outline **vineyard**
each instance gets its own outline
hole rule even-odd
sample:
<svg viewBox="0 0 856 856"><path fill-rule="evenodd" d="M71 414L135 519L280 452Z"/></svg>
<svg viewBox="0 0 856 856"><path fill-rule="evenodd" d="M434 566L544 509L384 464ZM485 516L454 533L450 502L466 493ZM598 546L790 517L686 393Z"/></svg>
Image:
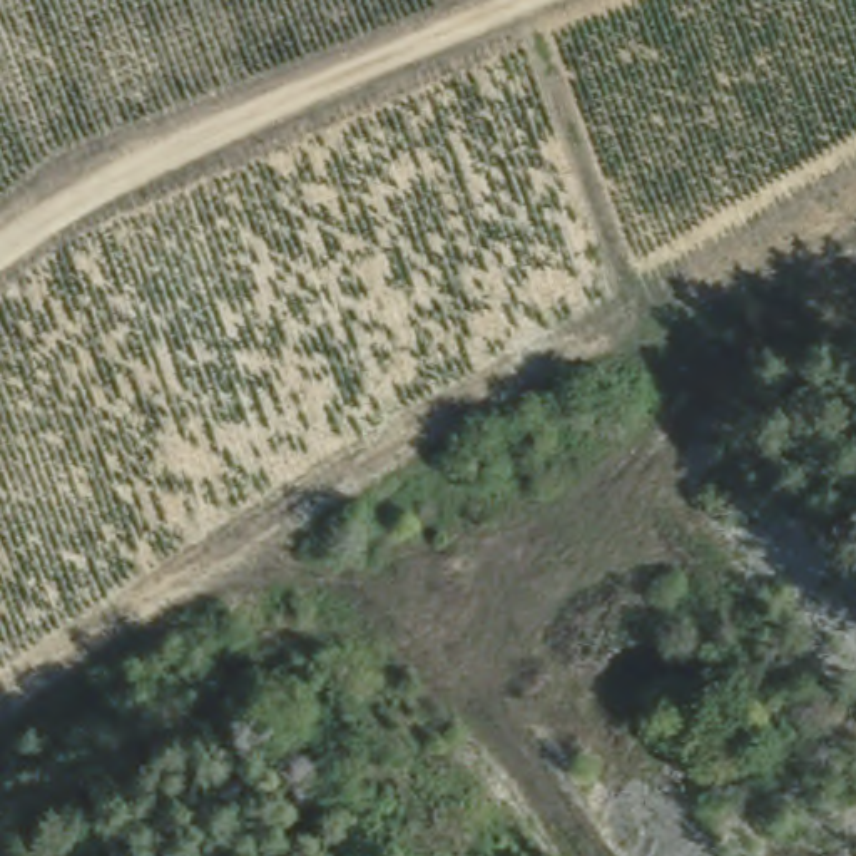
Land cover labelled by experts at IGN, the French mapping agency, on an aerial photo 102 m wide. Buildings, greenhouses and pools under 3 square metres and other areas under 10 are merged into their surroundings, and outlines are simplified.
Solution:
<svg viewBox="0 0 856 856"><path fill-rule="evenodd" d="M0 231L10 221L17 221L27 207L57 197L80 177L110 164L137 140L157 140L184 124L244 104L257 94L268 94L284 80L311 74L358 50L368 50L405 30L418 30L431 17L465 10L482 0L0 0Z"/></svg>
<svg viewBox="0 0 856 856"><path fill-rule="evenodd" d="M712 217L719 207L729 207L756 194L762 184L782 177L786 171L819 157L823 150L856 134L856 0L552 0L508 23L498 23L461 43L441 47L428 57L378 74L351 90L294 110L134 191L124 191L0 271L0 689L17 692L17 675L23 669L74 662L87 655L97 635L110 632L120 619L120 609L100 609L100 599L134 572L134 565L150 565L157 555L174 548L181 535L194 545L204 542L214 528L241 518L244 512L264 502L274 502L284 492L284 485L298 485L321 458L351 448L354 441L415 441L421 418L435 401L485 398L492 375L515 375L528 354L538 354L535 344L545 324L542 308L555 308L558 321L568 321L572 311L585 314L592 308L609 304L609 298L615 298L615 281L632 271L629 261L635 254L649 254L669 244L672 237Z"/></svg>

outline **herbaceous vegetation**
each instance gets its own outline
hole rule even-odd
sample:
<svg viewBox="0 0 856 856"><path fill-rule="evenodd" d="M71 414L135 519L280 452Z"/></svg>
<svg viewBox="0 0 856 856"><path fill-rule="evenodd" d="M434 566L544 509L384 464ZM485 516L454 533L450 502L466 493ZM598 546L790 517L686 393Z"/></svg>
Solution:
<svg viewBox="0 0 856 856"><path fill-rule="evenodd" d="M298 485L284 485L284 492L274 502L264 502L244 512L241 518L214 528L204 542L194 545L181 535L174 548L157 555L150 565L134 565L134 572L100 599L100 609L120 609L120 619L110 632L97 635L87 655L74 662L23 669L17 675L17 692L0 689L0 736L10 726L33 716L43 716L57 726L70 726L94 702L94 696L110 702L110 696L127 696L134 685L127 679L127 659L147 659L164 649L164 642L144 625L147 619L154 619L174 602L211 592L227 572L241 565L254 565L264 545L271 542L291 538L294 558L324 558L331 552L331 542L344 538L344 528L358 502L354 492L408 465L415 455L431 465L445 458L451 438L468 428L471 418L515 415L528 401L528 395L555 391L589 368L645 368L659 395L649 418L622 455L605 455L589 482L575 485L555 502L545 502L538 512L522 515L505 528L495 528L495 522L461 522L451 532L445 528L435 542L425 542L418 535L411 542L401 542L398 558L388 562L378 575L358 578L358 585L364 585L368 595L378 605L385 605L398 622L398 635L391 639L398 655L395 665L385 665L385 682L405 685L411 675L421 675L425 699L435 702L438 716L451 722L451 729L471 722L471 739L468 746L455 749L455 762L478 776L488 786L488 792L512 809L522 833L542 856L609 856L585 816L592 786L602 782L609 792L622 792L629 782L645 782L652 792L672 799L669 789L672 782L682 782L682 769L649 759L632 736L625 726L609 726L595 702L595 679L622 649L635 645L629 632L622 632L625 609L655 609L662 582L672 572L679 572L689 585L685 595L692 602L706 599L709 609L719 612L719 625L732 629L732 575L769 575L772 568L762 555L762 538L749 528L772 515L782 515L779 502L789 488L782 488L782 471L776 468L776 461L759 448L759 435L766 421L792 401L796 388L809 378L816 344L856 324L856 134L823 150L819 157L786 171L782 177L762 184L756 194L729 207L719 207L712 217L672 237L669 244L649 254L635 254L629 261L632 271L615 281L615 298L609 298L609 304L592 308L585 314L572 311L568 321L558 321L555 308L542 308L545 324L535 344L538 354L528 354L515 375L492 375L485 398L435 401L421 418L415 441L354 441L351 448L321 458Z"/></svg>

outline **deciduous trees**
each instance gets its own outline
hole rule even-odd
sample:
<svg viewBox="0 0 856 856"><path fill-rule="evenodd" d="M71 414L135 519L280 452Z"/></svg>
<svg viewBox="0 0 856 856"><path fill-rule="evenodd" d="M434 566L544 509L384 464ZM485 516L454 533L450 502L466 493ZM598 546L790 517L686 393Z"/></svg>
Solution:
<svg viewBox="0 0 856 856"><path fill-rule="evenodd" d="M528 395L528 401L515 415L471 418L468 428L451 438L445 458L431 465L448 485L465 488L478 502L498 492L512 492L518 475L532 471L532 458L548 461L558 448L575 448L578 441L572 415L592 415L612 425L622 421L635 405L642 418L649 418L659 395L645 368L589 368L555 391Z"/></svg>
<svg viewBox="0 0 856 856"><path fill-rule="evenodd" d="M732 672L722 685L706 689L706 702L696 722L679 719L675 709L669 709L645 719L642 729L632 736L649 759L682 769L696 782L709 786L742 779L752 772L772 772L779 766L779 732L766 716L766 706L756 699L756 685L746 672Z"/></svg>
<svg viewBox="0 0 856 856"><path fill-rule="evenodd" d="M301 702L294 696L294 706L278 716L278 722L268 732L284 752L298 746L304 749L304 759L314 766L308 799L321 803L324 816L351 816L351 829L358 829L358 836L364 836L378 856L395 856L391 829L408 826L401 803L395 796L381 799L375 789L361 786L351 776L348 786L331 782L331 766L351 756L351 722L344 719L348 689L341 685L338 672L324 682L314 702Z"/></svg>

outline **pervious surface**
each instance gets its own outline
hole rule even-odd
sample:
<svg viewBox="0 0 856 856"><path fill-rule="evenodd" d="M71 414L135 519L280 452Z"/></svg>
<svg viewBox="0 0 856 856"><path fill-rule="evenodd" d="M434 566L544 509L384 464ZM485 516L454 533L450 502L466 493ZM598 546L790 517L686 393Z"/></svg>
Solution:
<svg viewBox="0 0 856 856"><path fill-rule="evenodd" d="M351 90L378 74L428 57L441 47L461 43L498 23L508 23L552 0L482 0L465 10L431 17L418 30L405 30L368 50L358 50L311 74L284 80L268 94L257 94L244 104L184 124L157 140L137 140L110 164L80 177L57 197L27 207L17 221L10 221L0 231L0 271L124 191L134 191L294 110Z"/></svg>
<svg viewBox="0 0 856 856"><path fill-rule="evenodd" d="M826 665L856 672L856 629L849 629L843 642L836 642L826 655Z"/></svg>
<svg viewBox="0 0 856 856"><path fill-rule="evenodd" d="M782 515L772 515L749 528L762 538L762 555L772 568L782 568L789 585L796 585L813 609L826 609L829 615L846 609L846 615L856 625L856 592L846 589L836 575L816 568L819 535L803 522Z"/></svg>
<svg viewBox="0 0 856 856"><path fill-rule="evenodd" d="M672 799L652 792L645 782L629 782L622 792L609 792L602 782L592 786L585 816L609 856L699 856L702 843L682 836L682 809Z"/></svg>

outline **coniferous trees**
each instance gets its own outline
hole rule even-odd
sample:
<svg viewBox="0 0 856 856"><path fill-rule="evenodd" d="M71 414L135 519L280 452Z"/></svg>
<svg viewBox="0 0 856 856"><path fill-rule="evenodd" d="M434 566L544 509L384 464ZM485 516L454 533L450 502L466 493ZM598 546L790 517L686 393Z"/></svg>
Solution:
<svg viewBox="0 0 856 856"><path fill-rule="evenodd" d="M776 468L782 471L782 488L789 488L779 502L782 515L803 522L819 535L816 568L836 575L846 589L856 592L856 324L816 344L809 378L796 388L792 401L766 421L759 435L759 448L776 461Z"/></svg>
<svg viewBox="0 0 856 856"><path fill-rule="evenodd" d="M110 799L97 806L97 823L87 823L74 809L47 813L37 839L10 839L7 849L13 856L378 856L364 836L358 836L358 829L351 829L351 816L324 816L321 803L308 799L314 766L304 759L304 749L298 746L284 752L268 732L251 732L247 726L234 722L234 739L224 746L207 746L201 739L171 742L171 749L154 756L140 776L127 776L110 792Z"/></svg>

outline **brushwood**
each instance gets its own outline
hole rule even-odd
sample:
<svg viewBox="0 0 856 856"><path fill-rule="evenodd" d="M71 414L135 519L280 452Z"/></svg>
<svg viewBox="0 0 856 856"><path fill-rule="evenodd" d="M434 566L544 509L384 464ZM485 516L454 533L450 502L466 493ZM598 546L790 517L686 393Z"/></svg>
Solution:
<svg viewBox="0 0 856 856"><path fill-rule="evenodd" d="M669 709L675 709L679 719L696 722L706 702L706 689L722 685L732 672L746 672L756 685L756 699L766 706L766 716L779 732L779 766L772 772L752 772L742 779L709 786L696 782L682 769L682 782L672 782L669 789L672 799L682 809L682 836L702 843L699 856L856 856L856 672L826 665L826 655L836 642L843 642L849 629L856 629L856 625L846 615L846 609L829 615L826 609L813 609L796 585L789 585L782 568L772 568L769 575L732 575L732 629L719 625L719 612L709 609L706 599L692 602L685 595L689 585L679 572L672 572L662 582L655 609L625 609L622 632L629 632L635 645L622 649L595 679L595 702L609 726L625 726L632 736L642 729L645 719Z"/></svg>
<svg viewBox="0 0 856 856"><path fill-rule="evenodd" d="M331 542L331 552L324 558L294 558L291 538L271 542L264 545L254 565L241 565L227 572L211 592L174 602L154 619L147 619L144 625L164 642L164 649L147 659L127 659L127 679L134 685L127 696L110 696L110 702L94 696L94 702L70 726L57 726L43 716L33 716L10 726L0 736L0 856L13 856L7 849L10 839L37 839L47 813L74 809L87 823L97 823L97 806L110 799L110 792L127 776L140 776L154 756L171 749L171 742L201 739L207 746L224 746L234 739L234 722L247 726L251 732L268 732L278 722L278 716L294 706L294 696L301 702L314 702L324 682L338 672L341 685L348 689L344 719L351 722L351 756L331 766L331 782L348 786L351 776L361 786L375 789L381 799L395 796L401 803L408 826L391 829L395 856L542 856L522 833L512 809L488 792L488 786L478 776L455 762L455 749L468 746L471 739L471 722L451 729L451 722L438 716L435 702L425 699L421 675L411 675L405 685L385 682L385 665L395 665L398 655L391 639L398 635L398 622L385 605L378 605L368 595L364 585L358 585L358 578L378 575L388 562L398 558L401 542L411 542L418 535L425 542L435 542L445 528L451 532L461 522L495 522L495 528L505 528L522 515L538 512L545 502L555 502L575 485L589 482L605 455L622 455L649 418L642 418L635 405L622 421L612 425L592 415L572 415L578 441L575 448L558 448L548 461L532 458L532 471L518 475L512 492L498 492L478 502L465 488L448 485L431 465L415 455L408 465L354 492L358 502L344 528L344 538Z"/></svg>

